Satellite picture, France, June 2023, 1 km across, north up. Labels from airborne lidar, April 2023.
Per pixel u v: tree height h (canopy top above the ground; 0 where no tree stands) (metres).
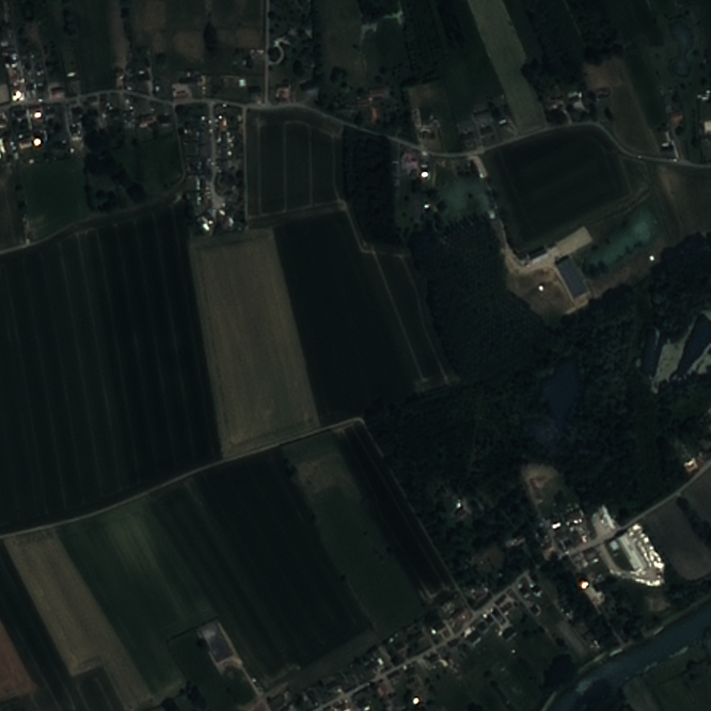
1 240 0
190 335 0
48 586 0
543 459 18
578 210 0
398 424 10
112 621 0
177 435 0
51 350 0
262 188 0
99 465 0
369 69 0
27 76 0
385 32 0
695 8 0
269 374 0
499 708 0
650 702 0
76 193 0
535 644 0
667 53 0
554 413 0
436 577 0
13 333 0
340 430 0
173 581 0
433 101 0
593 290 0
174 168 0
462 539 17
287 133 0
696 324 0
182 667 0
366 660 6
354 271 0
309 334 0
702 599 0
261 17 0
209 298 0
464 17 0
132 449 0
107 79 0
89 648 0
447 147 0
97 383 0
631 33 0
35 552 0
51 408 0
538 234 0
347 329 0
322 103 13
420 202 0
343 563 0
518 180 0
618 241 0
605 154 0
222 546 0
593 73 0
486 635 0
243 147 0
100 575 0
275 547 0
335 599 0
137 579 0
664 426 12
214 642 0
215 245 0
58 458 0
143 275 0
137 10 0
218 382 0
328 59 0
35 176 0
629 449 19
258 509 0
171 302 0
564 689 0
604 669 0
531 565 16
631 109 0
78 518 0
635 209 0
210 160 0
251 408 0
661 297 22
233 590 0
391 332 0
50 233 0
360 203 23
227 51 0
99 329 0
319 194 0
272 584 0
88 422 0
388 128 11
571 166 0
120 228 0
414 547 0
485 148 0
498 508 7
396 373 0
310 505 0
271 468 0
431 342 0
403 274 0
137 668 0
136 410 0
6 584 0
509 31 0
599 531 0
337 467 0
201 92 0
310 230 0
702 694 0
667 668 0
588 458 21
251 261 0
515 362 26
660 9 0
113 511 0
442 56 0
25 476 0
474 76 0
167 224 0
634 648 0
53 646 0
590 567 0
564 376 0
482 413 0
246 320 0
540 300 0
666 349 0
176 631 0
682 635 0
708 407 0
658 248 0
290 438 0
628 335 20
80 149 0
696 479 0
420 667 0
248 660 0
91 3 0
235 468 0
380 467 0
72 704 0
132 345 0
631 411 16
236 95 0
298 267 0
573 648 0
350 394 0
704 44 0
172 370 0
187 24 0
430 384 0
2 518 0
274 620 0
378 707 0
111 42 0
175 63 0
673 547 0
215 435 0
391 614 0
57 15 0
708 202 0
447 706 0
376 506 0
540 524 0
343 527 0
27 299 0
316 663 0
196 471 0
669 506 0
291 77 0
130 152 0
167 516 0
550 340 22
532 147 0
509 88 0
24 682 0
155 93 7
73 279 0
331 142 0
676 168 0
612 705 27
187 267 0
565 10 0
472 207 0
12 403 0
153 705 0
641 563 0
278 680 0
